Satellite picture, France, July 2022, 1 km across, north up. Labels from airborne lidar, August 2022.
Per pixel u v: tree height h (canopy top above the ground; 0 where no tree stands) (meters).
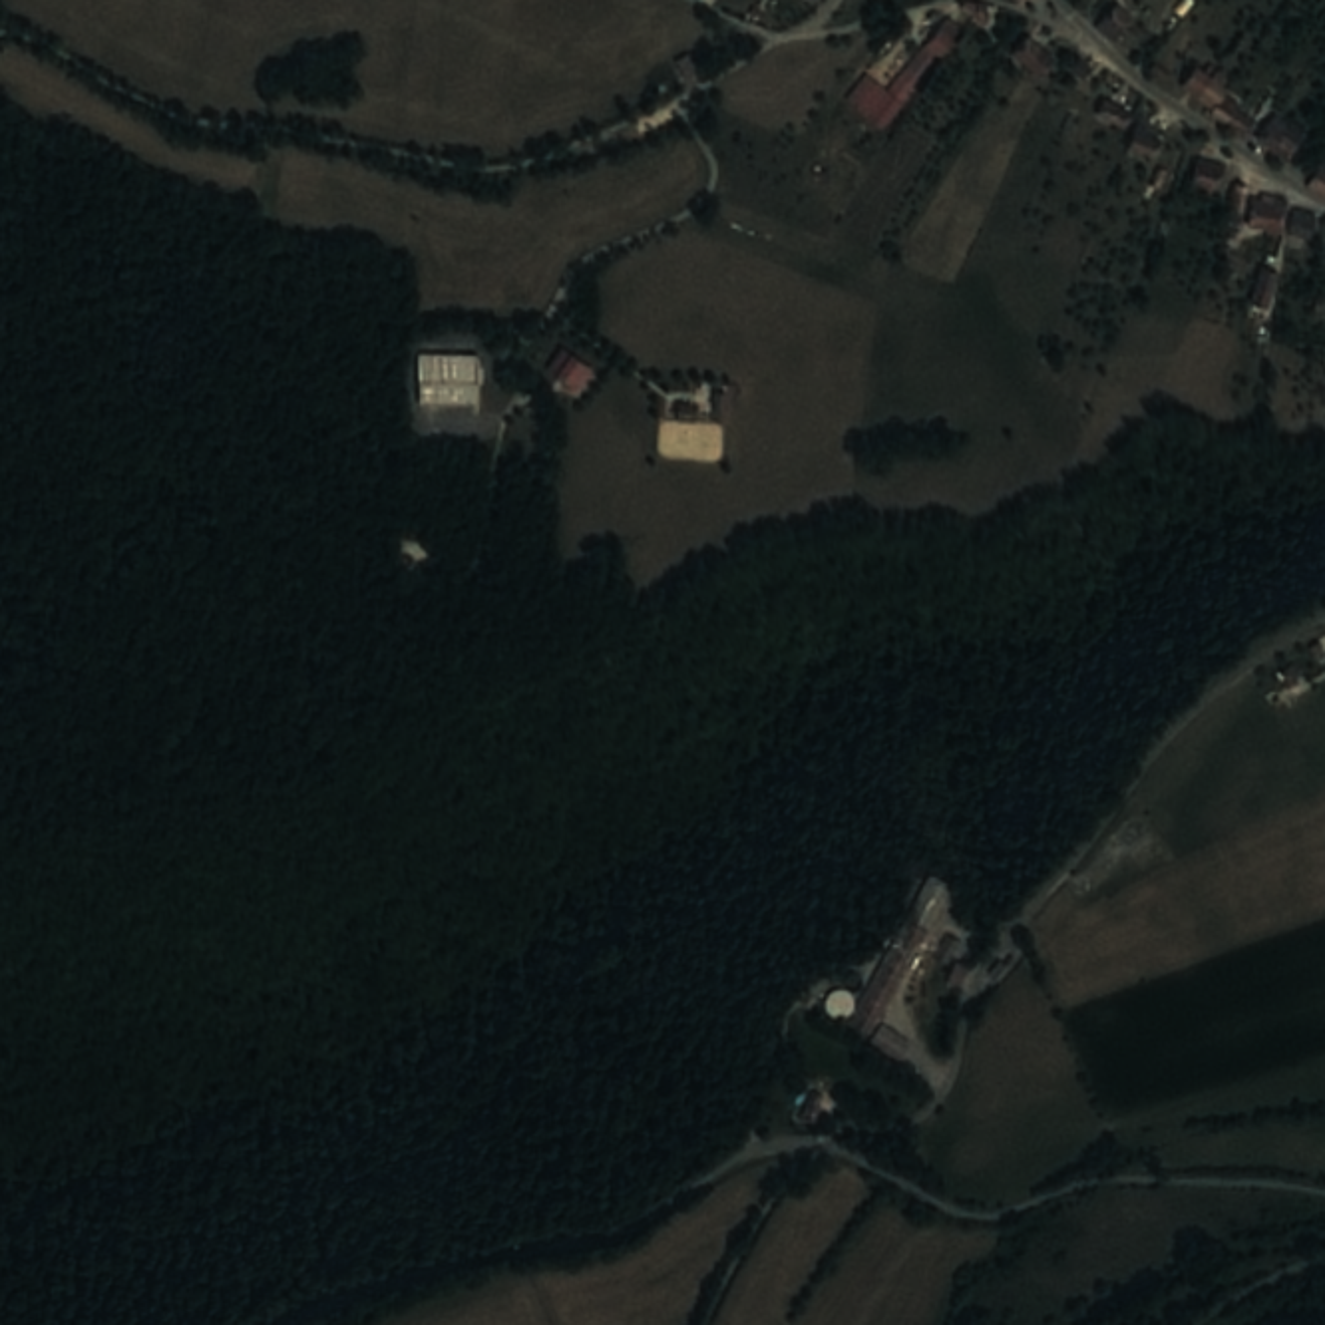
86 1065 23
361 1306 21
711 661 12
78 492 18
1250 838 0
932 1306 0
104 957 14
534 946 20
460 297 0
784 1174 15
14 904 16
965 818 33
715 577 18
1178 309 0
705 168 0
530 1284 0
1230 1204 0
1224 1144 0
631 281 0
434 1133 30
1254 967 0
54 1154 27
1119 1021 0
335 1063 28
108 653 18
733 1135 19
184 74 0
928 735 27
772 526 16
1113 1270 0
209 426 18
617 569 21
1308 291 8
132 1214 25
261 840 15
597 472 0
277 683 18
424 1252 27
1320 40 5
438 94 0
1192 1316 16
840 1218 0
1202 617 27
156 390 14
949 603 15
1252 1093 0
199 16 0
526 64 0
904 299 0
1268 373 13
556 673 12
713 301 0
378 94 0
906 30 10
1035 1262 0
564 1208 29
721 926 18
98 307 14
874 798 22
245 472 18
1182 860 0
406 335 17
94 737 19
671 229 11
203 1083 17
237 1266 29
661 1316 0
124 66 0
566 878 23
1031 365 0
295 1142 29
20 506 16
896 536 26
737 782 17
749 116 0
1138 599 22
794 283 0
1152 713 35
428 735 13
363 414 17
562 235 0
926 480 0
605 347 12
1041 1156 0
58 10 0
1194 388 0
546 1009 28
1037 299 0
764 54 0
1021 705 25
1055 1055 0
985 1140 0
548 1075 20
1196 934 0
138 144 0
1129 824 0
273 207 0
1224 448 21
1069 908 0
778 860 33
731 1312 0
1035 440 0
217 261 17
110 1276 24
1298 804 0
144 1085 22
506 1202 22
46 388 17
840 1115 13
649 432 0
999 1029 0
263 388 14
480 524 16
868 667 21
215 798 22
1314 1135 0
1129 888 0
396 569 23
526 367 21
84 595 24
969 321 0
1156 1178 16
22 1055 22
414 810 17
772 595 21
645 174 0
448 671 17
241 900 15
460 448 22
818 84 0
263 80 15
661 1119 26
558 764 14
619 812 17
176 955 16
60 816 15
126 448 18
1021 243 0
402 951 18
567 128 0
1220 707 0
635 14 0
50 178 17
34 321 16
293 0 0
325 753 14
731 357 0
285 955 17
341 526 21
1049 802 29
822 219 0
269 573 14
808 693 25
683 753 22
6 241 15
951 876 15
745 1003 24
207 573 18
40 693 24
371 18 0
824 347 0
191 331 22
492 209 0
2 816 17
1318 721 0
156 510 17
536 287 0
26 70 0
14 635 21
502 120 0
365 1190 26
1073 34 0
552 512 19
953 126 6
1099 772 22
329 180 0
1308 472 24
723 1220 0
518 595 20
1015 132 0
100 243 9
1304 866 0
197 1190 27
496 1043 18
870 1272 0
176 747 22
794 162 0
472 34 0
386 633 19
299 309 18
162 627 19
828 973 16
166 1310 34
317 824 15
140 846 14
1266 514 19
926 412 0
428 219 0
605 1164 34
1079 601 23
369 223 0
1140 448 25
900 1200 10
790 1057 21
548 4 0
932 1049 0
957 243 0
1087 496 14
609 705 18
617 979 28
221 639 22
